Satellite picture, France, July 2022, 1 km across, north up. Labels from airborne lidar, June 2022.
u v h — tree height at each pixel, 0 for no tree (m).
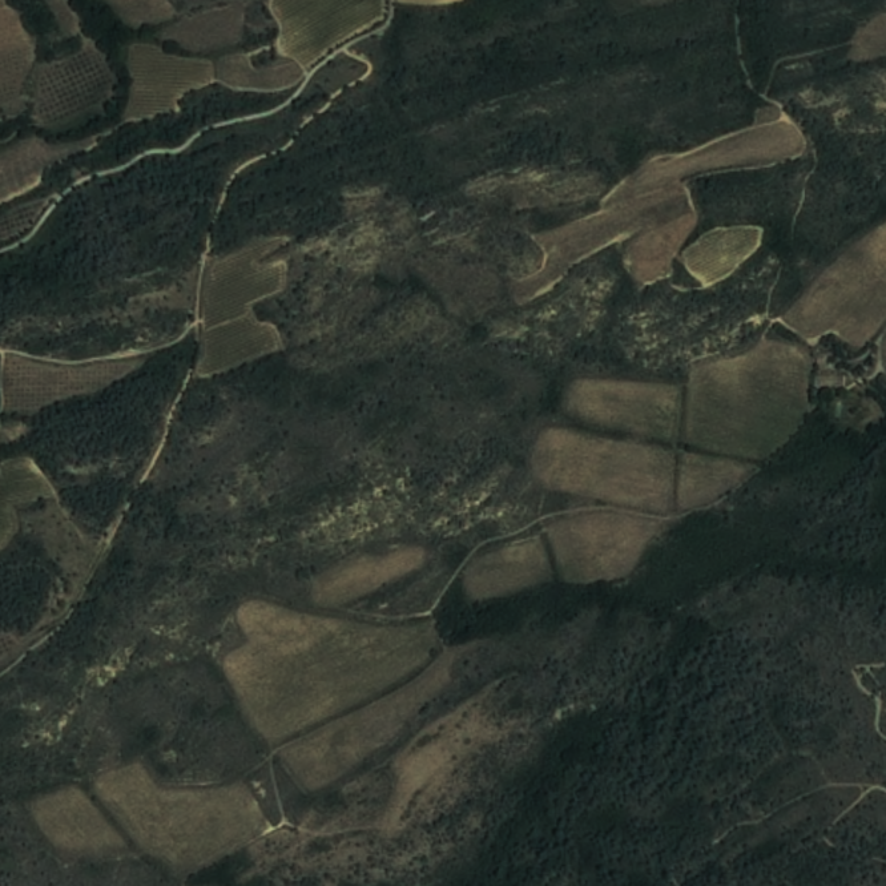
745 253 0
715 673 11
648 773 17
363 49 0
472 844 0
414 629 0
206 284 0
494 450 12
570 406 0
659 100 0
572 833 9
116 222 16
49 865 0
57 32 6
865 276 0
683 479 0
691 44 9
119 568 9
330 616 0
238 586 0
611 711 16
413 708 0
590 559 0
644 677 13
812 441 8
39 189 6
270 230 8
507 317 0
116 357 0
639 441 0
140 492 9
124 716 0
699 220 0
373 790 0
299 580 8
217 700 0
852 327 0
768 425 0
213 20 0
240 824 0
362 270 0
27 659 7
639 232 0
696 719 12
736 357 0
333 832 0
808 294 0
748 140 0
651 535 0
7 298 11
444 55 7
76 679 0
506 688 9
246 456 0
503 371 0
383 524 0
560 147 10
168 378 9
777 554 9
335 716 0
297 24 0
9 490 0
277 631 0
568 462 0
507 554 0
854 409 7
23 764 6
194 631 0
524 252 0
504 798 15
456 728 0
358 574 0
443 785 0
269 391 7
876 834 8
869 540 14
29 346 9
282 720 0
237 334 0
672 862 13
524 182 0
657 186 0
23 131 14
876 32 0
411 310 0
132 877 0
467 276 0
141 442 10
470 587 0
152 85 0
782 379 0
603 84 0
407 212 0
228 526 11
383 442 0
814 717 9
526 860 12
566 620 6
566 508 0
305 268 0
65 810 0
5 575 10
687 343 0
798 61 0
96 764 0
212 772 0
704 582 6
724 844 8
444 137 0
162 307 8
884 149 11
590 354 13
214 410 7
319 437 0
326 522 0
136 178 13
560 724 11
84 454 7
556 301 0
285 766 0
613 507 0
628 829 6
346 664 0
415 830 0
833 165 11
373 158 10
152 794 0
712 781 9
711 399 0
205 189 7
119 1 0
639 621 0
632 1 0
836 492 9
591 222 0
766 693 8
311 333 0
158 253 8
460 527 8
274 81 0
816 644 7
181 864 0
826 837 6
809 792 0
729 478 0
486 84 11
